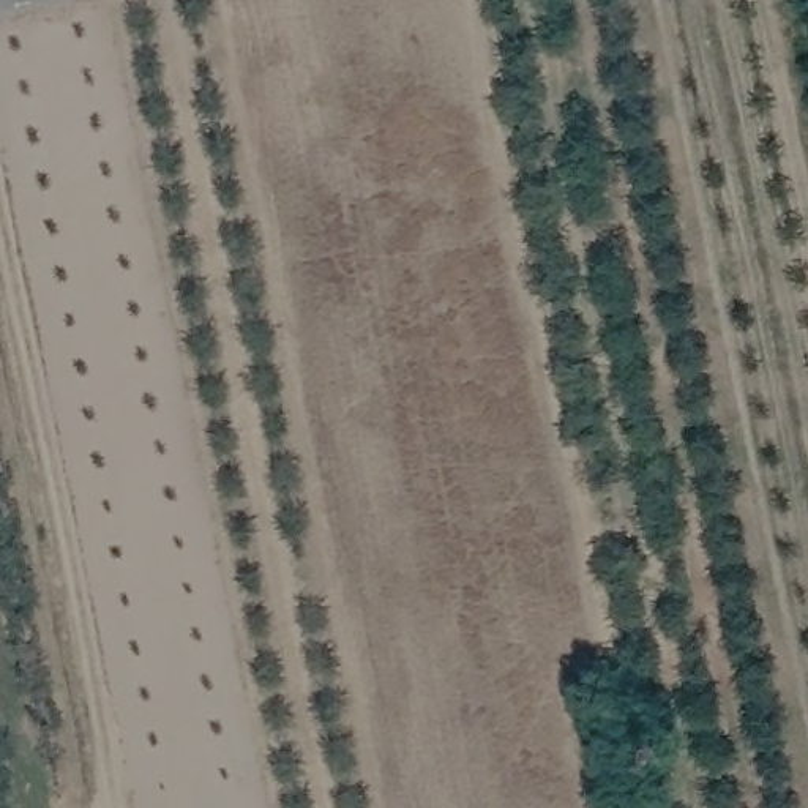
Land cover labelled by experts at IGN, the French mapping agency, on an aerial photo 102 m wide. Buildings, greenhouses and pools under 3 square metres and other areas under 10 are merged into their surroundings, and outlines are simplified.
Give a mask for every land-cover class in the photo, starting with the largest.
<instances>
[{"label":"herbaceous vegetation","instance_id":"1","mask_svg":"<svg viewBox=\"0 0 808 808\"><path fill-rule=\"evenodd\" d=\"M155 16V25L148 32L133 35L126 28V0H0V455L13 464L9 496L19 502L22 543L28 549V565L38 590L32 615L38 622L44 666L51 672V691L60 710L57 732L38 729L25 716V704L32 694H19L13 688L16 660L13 647L6 644V612L0 609V726L16 732V751L3 761V767L9 770V792L3 808H281V792L268 754L287 742L300 758V783L306 786L312 808H385V780L372 745V672L369 663L360 657L363 622L347 615L344 574L335 565V537L325 514V492L316 473V439L303 401V363L297 344L300 316L287 281V259L300 249V243L297 237L281 234L275 193L271 186H265L259 174L262 145L275 142L297 158L306 155L309 139L322 136V123L328 114H322L319 104H297V95L312 88V79L322 76V63L328 60L319 13L322 0H211V9L202 22L183 25L174 0H145ZM139 44H152L158 51L161 88L174 114L167 126H148L139 110V82L133 69V51ZM196 60H208L211 76L218 82L224 107L215 114H199L193 104ZM211 123L230 126L234 133V155L215 164L199 133ZM155 139L180 142L183 167L177 174L155 170ZM218 174L237 177V205L218 202L211 183ZM164 183H186L189 211L183 218L164 215ZM177 230H186L196 240L199 253L189 262L170 259V237ZM249 230H256L262 243V303L275 335L271 363L281 376V407L287 420V432L281 439H265L259 404L246 388L249 350L240 338V316L227 281L230 256L224 243L230 237H246ZM183 275H196L205 284V306L218 338L215 357L193 360V354L186 350L189 328L177 297V284ZM294 458L300 467L306 530L284 540L278 530V505L268 483V467H284ZM221 464L240 467L246 486L240 496L218 492ZM234 511H246L253 521V537L246 546H234L230 540L227 518ZM297 597H319L328 625L319 631H303L297 622ZM309 641L331 644L338 666L309 672L303 657V647ZM259 650L278 653L284 672L281 682L259 685L253 679V657ZM319 688L344 691L341 726L354 735L357 764L350 770H338L335 776L325 764L319 720L312 710V691ZM275 694L287 701L290 723L271 729L262 716V704ZM461 25L470 54V101L464 107L480 123L477 152L489 167V202L499 218L508 290L527 312L524 360L530 376V395L537 401L540 432L552 448L556 477L571 508L578 584L593 578L590 552L600 533H625L638 540L641 556L647 562L638 574L644 628L660 650V682L679 685V647L657 619V597L663 593V562L657 559L647 540V530L634 518L631 483H609L590 489L578 445L562 442L559 436L562 407L556 382L549 376L546 331V319L552 312L549 303H543L530 290L524 224L511 202V183L518 170L508 155V129L496 117L489 101L492 79L499 76L502 63L499 32L483 19L480 0H464ZM578 16V44L562 51L559 57L549 51L537 54V69L546 85L543 129L562 136V101L568 92H578L590 98L597 110V129L612 148H622V136L612 126V92L600 82V32L590 0H571ZM638 19L634 54L653 57V114L660 142L666 145L669 158L675 224L685 249V278L691 284L694 303L691 325L707 341V376L713 388L710 420L720 426L729 467L742 473L735 514L745 533V559L754 571L751 600L761 619V644L773 657V688L783 704V754L792 770V792L799 799V808H808V0H628ZM789 208H795L802 221L799 243H783L776 234V224ZM631 183L625 170L606 186V215L578 224L568 211L559 218V230L568 253L578 262V275H587V259L600 262L628 240V265L638 281L634 309L641 316L653 369V404L666 429V448L675 455L682 470L675 502L685 514L682 559L691 590L688 612L704 619V663L716 688V720L720 732L729 735L735 748L732 764H710L707 770L698 767L688 748V720L675 716L672 732L663 745L638 748L634 773H644L647 767L663 770L669 776V792L685 808H707L704 780L713 776H735L745 808H761V773L754 767V748L742 729L732 663L723 647L716 587L710 581L707 549L701 543L704 527L694 496V464L682 439L685 423L682 410L675 407V376L666 363V331L653 309L657 278L644 259V237L628 205ZM574 312L587 325L584 354L597 366L606 432L619 455H631L628 436L622 432L625 407L619 391L612 388L609 357L600 344V309L590 297H574Z\"/></svg>","mask_w":808,"mask_h":808},{"label":"agricultural land","instance_id":"2","mask_svg":"<svg viewBox=\"0 0 808 808\"><path fill-rule=\"evenodd\" d=\"M319 13L328 60L322 63V76L312 79V88L297 95V104H319L322 114H328L322 123V136L309 139L306 155L297 158L275 142L262 145L259 174L265 186H271L275 193L281 234L297 237L300 243V249L287 259V281L300 316L297 344L303 363V401L316 439V473L325 492V514L335 537V565L344 574L347 615L363 622L360 657L369 663L372 672V745L385 780V808H587L581 789V742L559 682L574 685L581 672L600 660L603 647L615 638L606 587L593 578L578 584L571 508L556 477L552 448L540 432L537 401L530 395V376L524 360L527 312L508 290L499 218L489 202V167L477 152L480 123L464 107L470 101V54L461 25L464 0H322Z\"/></svg>","mask_w":808,"mask_h":808},{"label":"deciduous trees","instance_id":"3","mask_svg":"<svg viewBox=\"0 0 808 808\"><path fill-rule=\"evenodd\" d=\"M155 25V16L145 0H126V28L133 35L148 32ZM183 25L202 22L211 9V0H174ZM600 32V82L612 92V126L622 136V148H612L597 129V110L590 98L578 92H568L562 101V136L543 129L546 85L537 69V54L549 51L559 57L562 51L578 44V16L571 0H480L483 19L499 32L502 63L499 76L492 79L489 101L496 117L508 129V155L518 170L511 183V202L524 224L530 290L543 303H549L552 312L546 319V331L549 376L556 382L562 407L559 436L562 442L578 445L590 489L609 483H631L634 518L647 530V540L657 559L663 562V593L657 597V619L679 647V685L660 682V650L644 628L638 574L647 562L641 556L638 540L625 533H600L590 552L593 578L606 587L615 638L603 647L600 660L581 672L574 685L559 682L581 742V789L587 808H685L669 792V776L663 770L647 767L644 773H634L638 748L663 745L672 732L675 716L688 720V748L698 767L707 770L710 764H732L735 748L729 735L720 732L716 720V688L704 663V619L688 612L691 590L682 559L685 514L675 502L682 470L675 455L666 448V429L653 404V369L641 316L634 309L638 281L628 265V240L600 262L587 259V275H578V262L568 253L559 230V218L568 211L578 224L606 215V186L625 170L631 183L628 205L644 237V259L657 278L653 309L666 331V363L675 376V407L682 410L685 423L682 439L694 464V496L704 527L701 543L707 549L710 581L716 587L723 647L732 663L742 729L754 748V767L761 773V808H799V799L792 792V770L783 754V704L773 688V657L761 644V619L751 600L754 571L745 559V533L735 514L742 473L729 467L720 426L710 420L713 388L707 376V341L691 325L694 303L691 284L685 278V249L675 224L669 158L666 145L660 142L653 114V57L634 54L638 19L628 0H590ZM574 297H590L600 309V344L609 357L612 388L619 391L625 407L622 432L628 436L631 455H619L606 432L597 366L584 354L587 325L574 312ZM133 69L139 82V110L148 126H167L174 114L161 88L158 51L152 44H139L133 51ZM193 104L199 114H215L224 107L218 82L211 76L208 60H196ZM199 133L215 164L234 155V133L230 126L211 123ZM155 170L177 174L183 167L180 142L155 139ZM211 183L218 202L237 205V177L218 174ZM164 215L183 218L189 211L186 183H164ZM776 234L783 243H799L802 221L795 208H789L776 224ZM199 253L196 240L186 230H177L170 237V259L189 262ZM262 243L256 230H249L246 237H230L224 243L230 256L227 281L240 316V338L249 350L246 388L259 404L265 439H281L287 432V420L281 407V376L271 363L275 335L262 303ZM177 297L189 328L186 350L193 354V360L215 357L218 338L205 306V284L196 275H183L177 284ZM13 464L0 455V609L6 612V644L13 647L16 660L13 688L19 694H32L25 704V716L38 729L57 732L60 710L51 691V672L44 666L38 622L32 615L38 590L28 565V549L22 543L19 502L9 496ZM268 483L278 505V530L284 540L306 530L300 467L294 458L284 467H268ZM246 486L240 467L221 464L218 492L240 496ZM230 540L234 546H246L253 537V521L246 511H234L227 518ZM297 622L303 631H319L328 625L319 597H297ZM303 657L309 672L338 666L331 644L309 641L303 647ZM253 679L259 685L281 682L284 672L278 653L259 650L253 657ZM312 710L319 720L325 764L335 776L338 770H350L357 764L354 735L341 726L344 691L319 688L312 691ZM262 716L271 729L290 723L287 701L275 694L262 704ZM16 751V732L0 726V808H3L9 792V770L3 767V761ZM281 792V808H312L306 786L300 783V758L287 742L268 754ZM707 808H745L735 776H713L704 780Z\"/></svg>","mask_w":808,"mask_h":808}]
</instances>
